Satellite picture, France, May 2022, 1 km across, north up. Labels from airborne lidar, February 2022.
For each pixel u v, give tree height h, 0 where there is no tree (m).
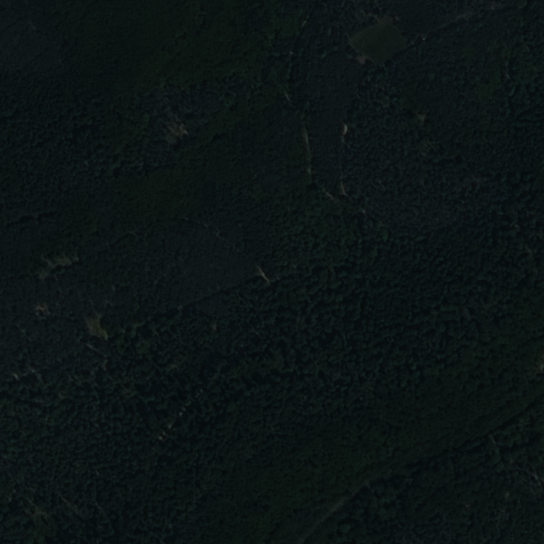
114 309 17
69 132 11
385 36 0
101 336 0
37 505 39
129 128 26
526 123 33
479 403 25
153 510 34
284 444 23
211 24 15
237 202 23
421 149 20
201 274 19
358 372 33
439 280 32
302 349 35
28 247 15
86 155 31
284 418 22
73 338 22
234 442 31
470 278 34
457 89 20
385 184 26
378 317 36
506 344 32
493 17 17
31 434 26
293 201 25
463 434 23
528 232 31
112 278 13
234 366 32
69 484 26
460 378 27
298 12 12
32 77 20
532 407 18
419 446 25
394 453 20
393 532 37
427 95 17
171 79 22
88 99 27
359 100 28
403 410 29
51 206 17
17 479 28
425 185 27
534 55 27
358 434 30
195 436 30
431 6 10
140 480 30
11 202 24
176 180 22
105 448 27
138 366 31
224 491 24
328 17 14
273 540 23
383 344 36
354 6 30
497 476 32
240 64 24
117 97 21
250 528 31
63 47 13
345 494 22
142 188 22
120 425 34
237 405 32
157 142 26
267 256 26
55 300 21
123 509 33
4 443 22
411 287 33
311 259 28
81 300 7
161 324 32
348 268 31
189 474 30
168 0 10
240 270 18
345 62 15
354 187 25
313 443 27
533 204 31
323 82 17
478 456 34
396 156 22
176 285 19
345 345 37
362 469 26
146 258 13
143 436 32
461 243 28
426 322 35
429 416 28
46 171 27
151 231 16
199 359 8
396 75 17
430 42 14
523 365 32
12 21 17
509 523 27
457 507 30
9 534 39
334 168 12
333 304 37
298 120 25
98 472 26
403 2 7
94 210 20
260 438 20
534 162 26
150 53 17
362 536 36
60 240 22
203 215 19
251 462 22
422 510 30
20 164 28
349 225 11
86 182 30
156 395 35
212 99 23
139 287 15
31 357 23
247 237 24
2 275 16
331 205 28
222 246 16
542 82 31
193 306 15
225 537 28
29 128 29
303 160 21
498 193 36
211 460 30
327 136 14
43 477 25
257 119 18
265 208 25
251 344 31
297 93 22
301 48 14
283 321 33
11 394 24
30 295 23
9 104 28
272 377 34
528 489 28
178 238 19
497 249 28
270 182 22
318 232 32
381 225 25
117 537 33
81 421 29
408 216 31
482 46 19
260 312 23
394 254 34
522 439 33
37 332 24
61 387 28
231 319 14
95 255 16
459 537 27
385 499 36
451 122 18
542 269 28
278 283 16
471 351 31
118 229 14
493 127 18
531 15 17
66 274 17
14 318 22
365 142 24
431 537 39
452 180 24
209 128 21
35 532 39
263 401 32
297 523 29
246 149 18
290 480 29
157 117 22
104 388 31
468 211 29
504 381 27
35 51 19
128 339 6
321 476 22
